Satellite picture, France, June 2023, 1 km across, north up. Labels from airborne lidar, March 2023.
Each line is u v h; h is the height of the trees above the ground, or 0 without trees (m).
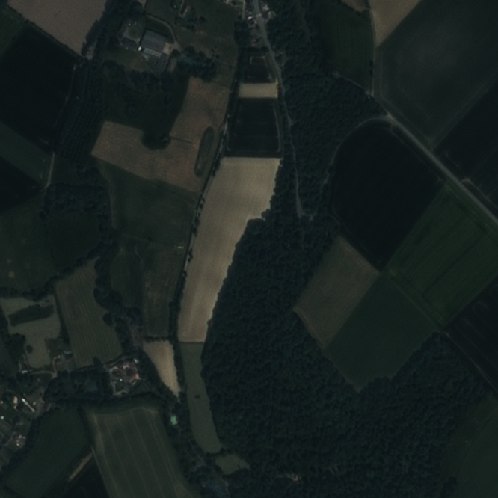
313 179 16
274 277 28
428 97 0
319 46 16
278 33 20
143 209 0
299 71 15
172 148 0
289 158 10
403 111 0
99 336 0
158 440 0
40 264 0
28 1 0
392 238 0
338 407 25
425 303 0
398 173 0
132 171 0
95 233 0
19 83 0
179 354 10
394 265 0
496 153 0
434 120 0
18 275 0
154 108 0
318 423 24
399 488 15
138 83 31
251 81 0
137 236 0
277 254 26
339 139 14
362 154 0
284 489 17
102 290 15
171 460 0
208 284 0
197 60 18
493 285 0
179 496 0
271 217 22
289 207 28
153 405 0
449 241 0
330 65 0
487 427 0
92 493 0
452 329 0
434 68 0
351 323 0
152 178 0
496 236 0
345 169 0
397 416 14
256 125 0
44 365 0
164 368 0
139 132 0
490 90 0
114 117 0
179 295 12
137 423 0
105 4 0
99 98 16
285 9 11
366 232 0
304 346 26
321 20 0
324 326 0
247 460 19
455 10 0
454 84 0
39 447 0
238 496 21
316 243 22
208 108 0
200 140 0
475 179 0
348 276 0
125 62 0
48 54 0
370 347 0
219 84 0
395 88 0
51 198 23
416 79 0
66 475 0
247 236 15
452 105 0
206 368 20
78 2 0
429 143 0
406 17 0
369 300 0
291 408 28
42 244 0
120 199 0
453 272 0
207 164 0
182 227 0
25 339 10
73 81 0
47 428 0
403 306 0
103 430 0
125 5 21
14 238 0
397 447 17
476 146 0
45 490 0
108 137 0
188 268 0
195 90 0
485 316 0
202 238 0
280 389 25
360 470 18
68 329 0
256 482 18
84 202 22
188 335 0
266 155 0
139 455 0
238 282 22
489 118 0
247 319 25
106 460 0
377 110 12
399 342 0
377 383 16
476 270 0
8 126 0
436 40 0
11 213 0
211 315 0
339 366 0
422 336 0
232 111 9
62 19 0
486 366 0
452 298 0
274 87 0
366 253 0
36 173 0
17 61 0
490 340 0
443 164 0
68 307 0
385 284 0
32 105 0
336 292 0
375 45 0
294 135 13
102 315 0
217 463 0
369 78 0
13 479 0
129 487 0
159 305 0
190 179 0
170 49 0
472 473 0
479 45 0
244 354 25
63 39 0
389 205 0
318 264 17
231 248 0
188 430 16
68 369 0
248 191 0
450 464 0
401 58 0
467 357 0
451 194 0
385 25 0
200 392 0
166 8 0
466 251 0
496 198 0
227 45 0
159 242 0
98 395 17
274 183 0
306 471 0
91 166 0
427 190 0
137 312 18
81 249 0
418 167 0
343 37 0
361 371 0
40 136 0
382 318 0
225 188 0
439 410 17
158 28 0
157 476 0
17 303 0
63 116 0
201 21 9
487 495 0
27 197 0
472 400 17
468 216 0
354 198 0
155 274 0
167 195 0
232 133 0
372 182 0
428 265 0
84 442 0
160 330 0
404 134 0
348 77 0
